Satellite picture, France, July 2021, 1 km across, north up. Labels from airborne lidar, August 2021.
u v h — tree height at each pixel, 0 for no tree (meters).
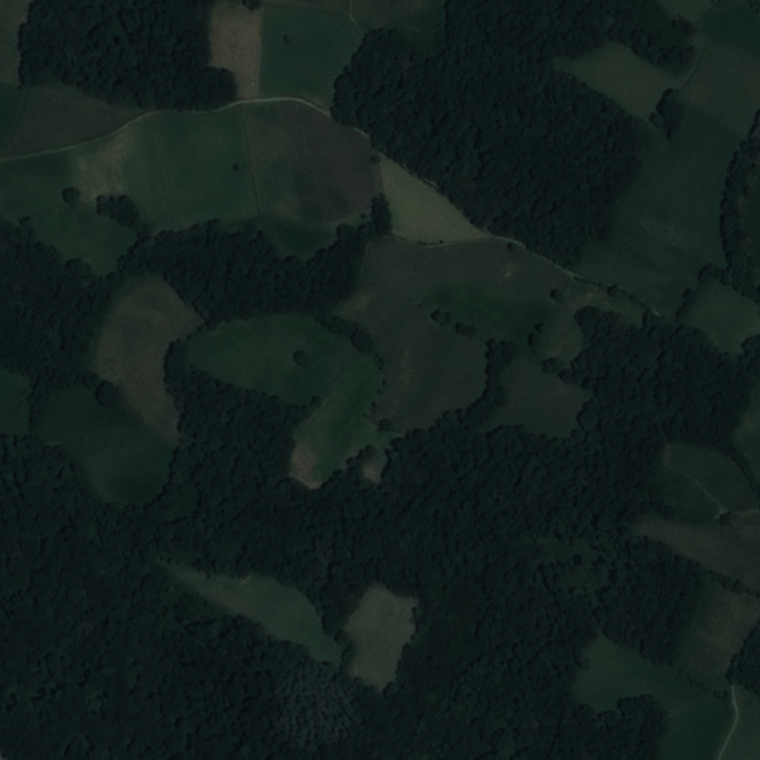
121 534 17
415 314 0
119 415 0
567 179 30
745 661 16
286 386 0
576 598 22
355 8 0
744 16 0
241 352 0
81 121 0
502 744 33
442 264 0
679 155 0
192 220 0
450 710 15
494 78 37
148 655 33
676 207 0
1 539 30
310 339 0
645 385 17
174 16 28
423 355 0
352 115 26
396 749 25
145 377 0
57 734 29
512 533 23
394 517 19
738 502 0
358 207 0
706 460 0
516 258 0
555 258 21
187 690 29
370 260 0
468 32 34
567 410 0
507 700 33
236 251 27
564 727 32
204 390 27
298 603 0
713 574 11
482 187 28
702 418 26
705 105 0
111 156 0
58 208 0
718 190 0
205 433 26
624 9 29
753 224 0
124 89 27
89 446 0
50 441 0
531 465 22
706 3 0
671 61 20
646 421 21
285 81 0
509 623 29
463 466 21
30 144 0
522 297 0
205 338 0
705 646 0
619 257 0
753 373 28
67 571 28
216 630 32
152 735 30
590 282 8
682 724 0
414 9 0
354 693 22
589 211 34
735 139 0
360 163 0
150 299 0
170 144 0
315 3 0
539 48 25
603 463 17
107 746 29
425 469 23
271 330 0
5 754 32
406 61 25
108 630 33
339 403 0
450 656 12
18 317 22
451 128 32
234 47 0
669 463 0
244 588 0
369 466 0
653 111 0
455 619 11
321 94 0
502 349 25
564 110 27
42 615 30
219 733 12
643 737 24
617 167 25
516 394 0
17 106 0
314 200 0
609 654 0
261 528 20
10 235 25
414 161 20
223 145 0
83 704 34
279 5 0
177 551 7
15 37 0
